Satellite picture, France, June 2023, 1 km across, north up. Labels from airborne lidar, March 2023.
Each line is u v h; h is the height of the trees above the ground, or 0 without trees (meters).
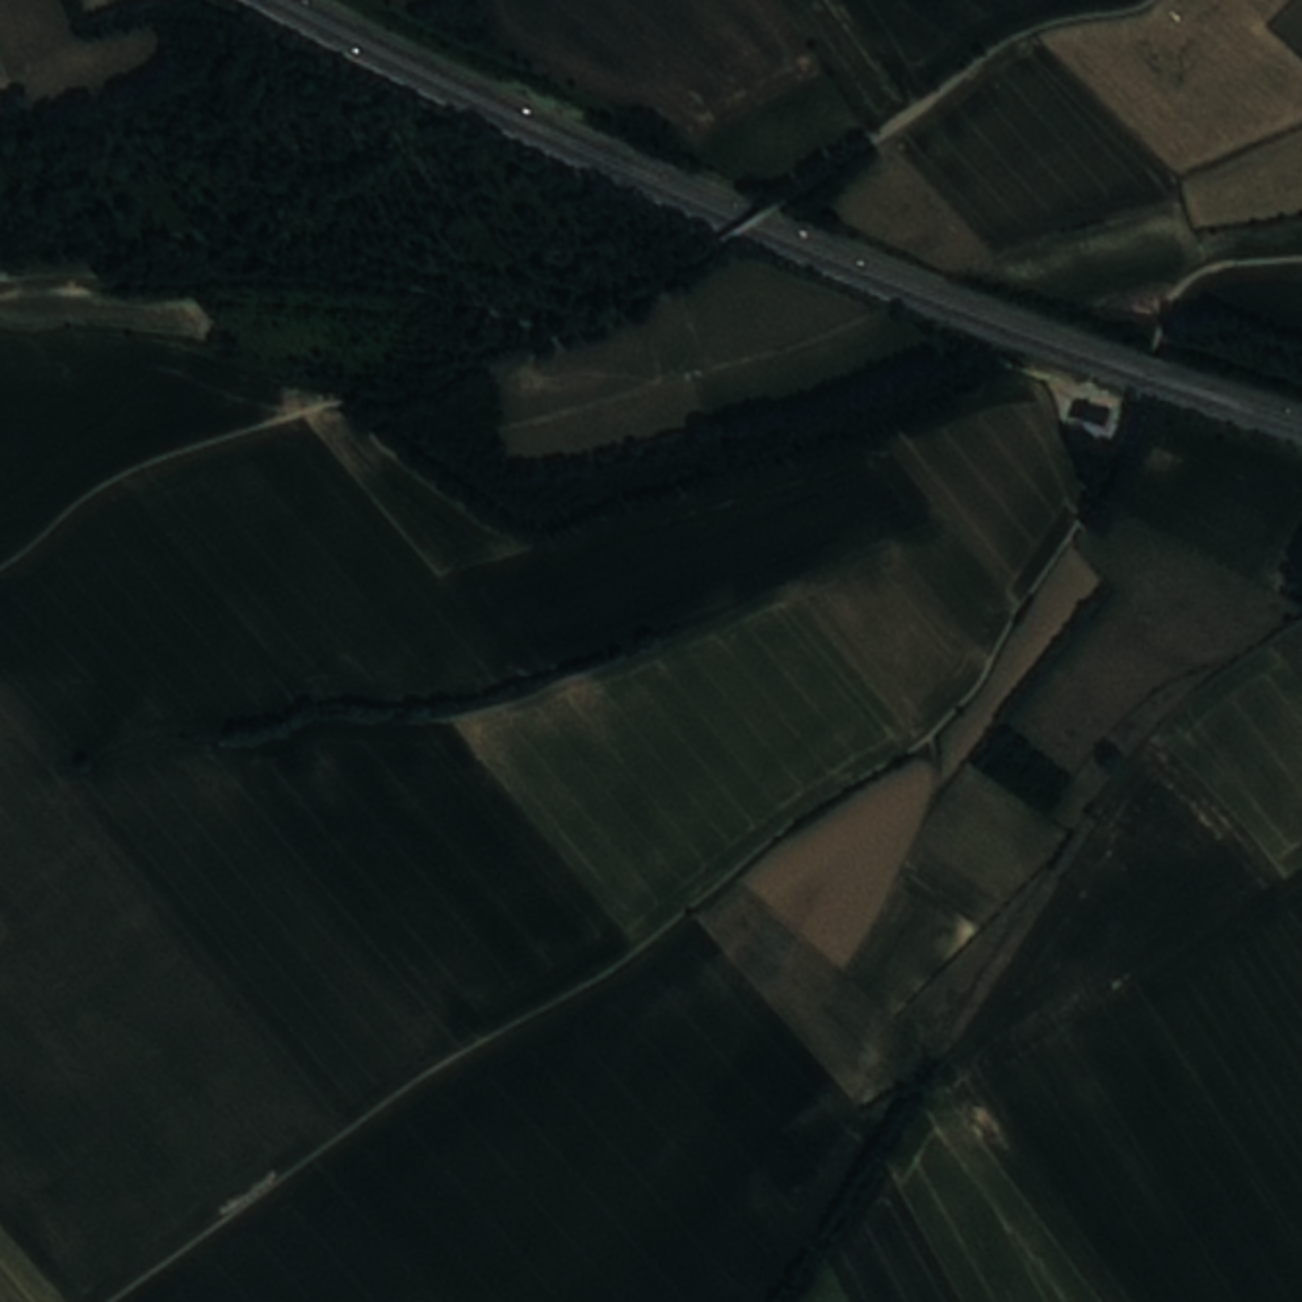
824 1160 0
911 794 0
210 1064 0
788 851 0
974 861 0
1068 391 0
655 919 0
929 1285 0
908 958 0
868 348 0
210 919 0
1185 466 0
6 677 0
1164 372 0
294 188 20
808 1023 0
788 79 0
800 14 0
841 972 0
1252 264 0
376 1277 0
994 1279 0
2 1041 0
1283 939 0
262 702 0
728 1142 0
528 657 0
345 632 0
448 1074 0
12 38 0
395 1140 0
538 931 0
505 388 0
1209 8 0
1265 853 0
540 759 0
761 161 0
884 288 0
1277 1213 0
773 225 0
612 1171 0
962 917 0
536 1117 0
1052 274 0
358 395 17
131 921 0
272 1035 0
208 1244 0
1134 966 0
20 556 0
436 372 17
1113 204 0
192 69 23
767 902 0
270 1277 0
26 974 0
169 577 0
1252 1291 0
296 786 0
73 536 0
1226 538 0
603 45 0
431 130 19
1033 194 0
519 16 0
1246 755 0
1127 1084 0
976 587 0
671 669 0
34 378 0
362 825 0
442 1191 0
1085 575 0
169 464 0
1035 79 0
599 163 0
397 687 0
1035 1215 0
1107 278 0
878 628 0
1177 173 0
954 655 0
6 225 20
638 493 29
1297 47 0
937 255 0
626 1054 0
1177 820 0
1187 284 0
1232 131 0
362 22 0
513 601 0
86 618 0
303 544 0
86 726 0
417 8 13
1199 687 0
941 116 0
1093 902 0
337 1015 0
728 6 0
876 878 0
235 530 0
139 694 0
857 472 0
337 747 0
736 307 0
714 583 0
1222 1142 0
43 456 0
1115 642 0
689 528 0
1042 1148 0
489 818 0
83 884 0
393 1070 0
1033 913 0
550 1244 0
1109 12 0
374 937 0
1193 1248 0
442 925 0
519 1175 0
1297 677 0
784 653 0
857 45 0
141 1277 0
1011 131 0
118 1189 0
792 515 0
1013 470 0
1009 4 0
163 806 0
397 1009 0
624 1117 0
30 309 0
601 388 0
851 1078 0
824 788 0
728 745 0
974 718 0
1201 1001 0
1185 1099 0
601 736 0
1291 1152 0
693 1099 0
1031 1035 0
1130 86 0
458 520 0
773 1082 0
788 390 0
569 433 0
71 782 0
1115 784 0
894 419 28
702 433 27
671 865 0
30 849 0
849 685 0
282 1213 0
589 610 0
